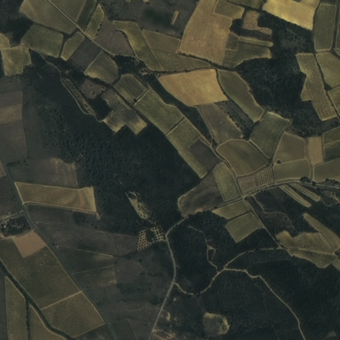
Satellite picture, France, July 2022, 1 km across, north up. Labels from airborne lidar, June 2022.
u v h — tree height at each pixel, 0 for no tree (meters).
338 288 8
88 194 0
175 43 0
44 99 0
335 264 0
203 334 8
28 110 0
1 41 0
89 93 0
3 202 0
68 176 0
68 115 0
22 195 0
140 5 0
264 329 8
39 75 0
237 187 0
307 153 0
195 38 0
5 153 0
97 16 0
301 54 0
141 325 0
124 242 0
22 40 0
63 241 0
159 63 0
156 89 0
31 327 0
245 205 0
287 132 0
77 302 0
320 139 0
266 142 0
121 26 0
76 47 0
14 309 0
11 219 7
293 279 6
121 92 0
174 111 0
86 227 0
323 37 0
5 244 0
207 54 0
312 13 0
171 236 5
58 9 0
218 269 6
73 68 6
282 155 0
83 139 10
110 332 0
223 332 0
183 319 0
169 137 0
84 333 0
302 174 0
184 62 0
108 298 0
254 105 0
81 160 8
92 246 0
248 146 0
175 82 0
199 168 0
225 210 0
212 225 10
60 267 0
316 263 0
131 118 0
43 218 0
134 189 6
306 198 7
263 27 0
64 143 7
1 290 0
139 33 0
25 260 0
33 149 0
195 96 0
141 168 8
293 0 0
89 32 0
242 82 0
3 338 0
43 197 0
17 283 7
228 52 0
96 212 0
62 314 0
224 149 0
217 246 8
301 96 0
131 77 0
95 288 0
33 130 0
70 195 0
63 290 0
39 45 0
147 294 0
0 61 11
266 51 0
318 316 8
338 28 0
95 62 0
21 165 0
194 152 0
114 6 0
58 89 0
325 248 0
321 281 7
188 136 0
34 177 0
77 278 0
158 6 0
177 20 0
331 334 0
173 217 7
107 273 0
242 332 10
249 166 0
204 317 0
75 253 0
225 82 0
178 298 0
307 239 0
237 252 9
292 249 0
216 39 0
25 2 0
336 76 0
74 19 0
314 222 0
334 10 0
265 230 7
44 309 0
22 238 0
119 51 0
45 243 0
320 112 0
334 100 0
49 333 0
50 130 0
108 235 0
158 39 0
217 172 0
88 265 0
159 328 0
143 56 0
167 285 0
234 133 0
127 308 0
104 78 0
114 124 0
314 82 0
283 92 7
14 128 0
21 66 0
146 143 6
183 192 7
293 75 6
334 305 8
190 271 7
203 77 0
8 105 0
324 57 0
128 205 0
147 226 6
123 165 10
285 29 7
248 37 0
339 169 0
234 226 0
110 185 6
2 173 0
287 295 11
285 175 0
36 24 0
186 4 0
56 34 0
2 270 6
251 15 0
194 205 0
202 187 0
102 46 0
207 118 0
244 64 9
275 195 0
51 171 0
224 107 0
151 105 0
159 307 0
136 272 0
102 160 13
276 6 0
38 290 0
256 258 6
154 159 7
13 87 0
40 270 0
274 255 8
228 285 7
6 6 0
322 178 0
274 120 0
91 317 0
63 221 0
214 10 0
